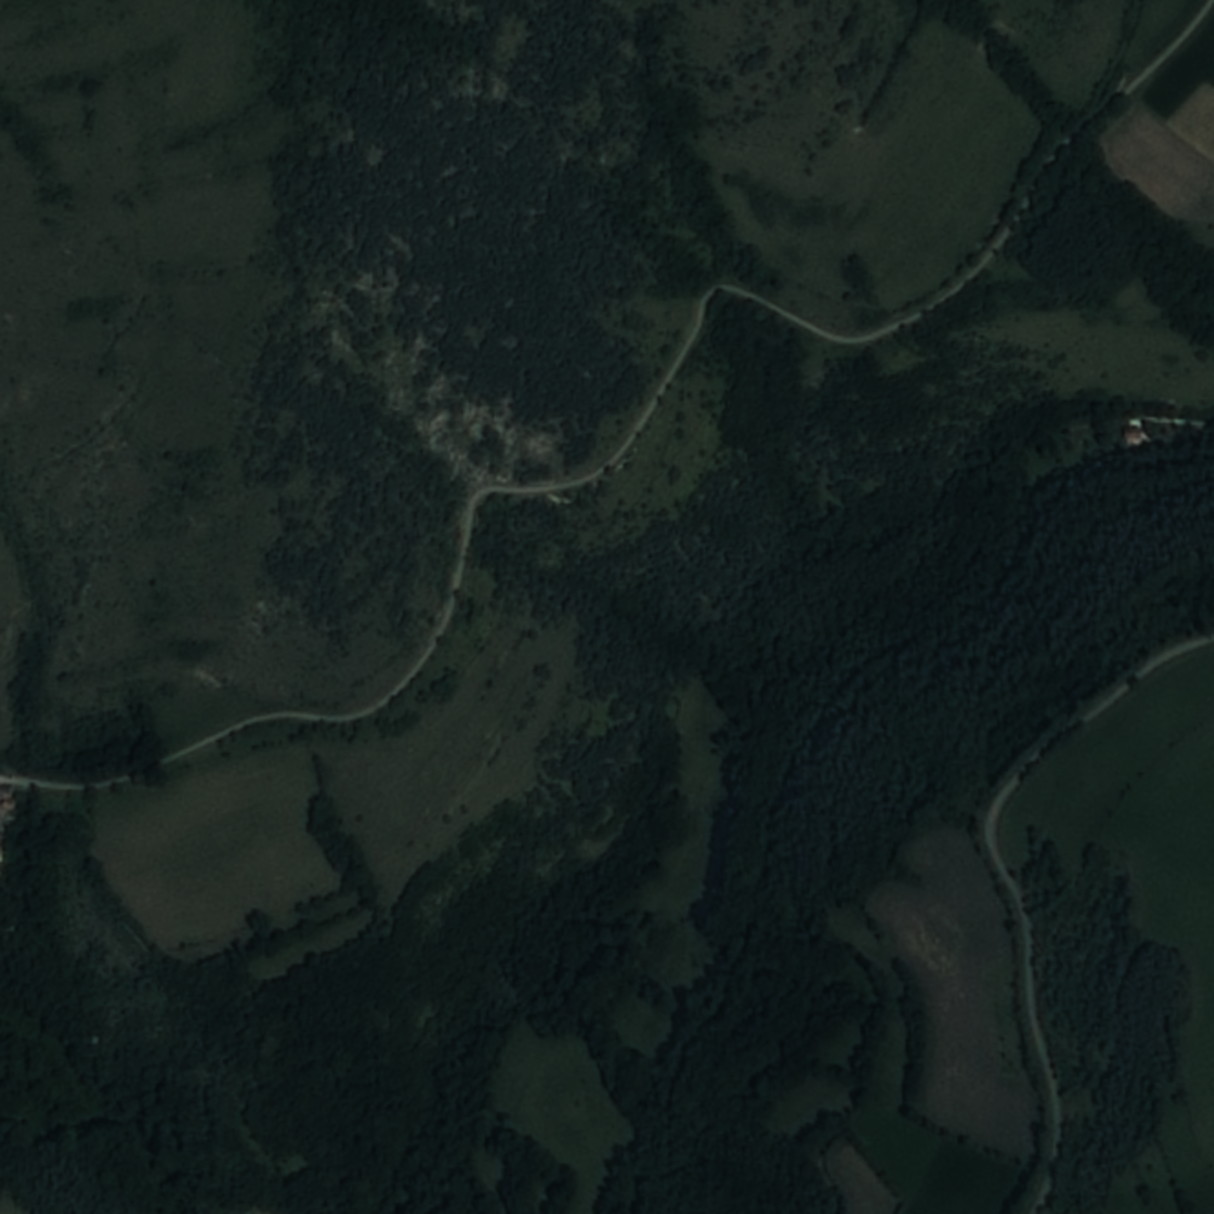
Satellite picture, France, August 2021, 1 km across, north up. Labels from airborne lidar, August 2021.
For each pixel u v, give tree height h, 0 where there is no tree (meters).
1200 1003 0
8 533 8
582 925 26
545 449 0
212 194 0
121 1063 18
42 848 10
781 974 16
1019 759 14
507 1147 21
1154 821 0
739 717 22
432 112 6
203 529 0
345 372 13
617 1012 6
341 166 9
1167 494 14
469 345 7
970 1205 0
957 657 25
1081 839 0
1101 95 7
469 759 0
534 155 12
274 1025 23
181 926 0
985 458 21
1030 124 0
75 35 0
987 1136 0
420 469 7
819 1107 0
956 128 0
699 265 8
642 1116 15
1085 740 0
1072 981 10
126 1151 37
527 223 9
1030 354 6
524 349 11
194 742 0
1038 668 21
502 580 11
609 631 10
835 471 10
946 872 0
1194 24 0
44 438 0
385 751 0
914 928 0
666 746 17
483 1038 29
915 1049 10
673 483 5
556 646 0
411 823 0
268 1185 14
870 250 0
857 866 14
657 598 11
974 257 10
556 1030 15
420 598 0
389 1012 10
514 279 9
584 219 9
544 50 8
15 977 25
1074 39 0
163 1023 9
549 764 7
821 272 0
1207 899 0
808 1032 16
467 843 10
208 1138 14
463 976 12
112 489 0
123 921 7
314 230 8
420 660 0
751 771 28
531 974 20
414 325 9
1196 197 0
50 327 0
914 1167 0
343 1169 25
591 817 11
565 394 9
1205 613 6
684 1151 18
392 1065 14
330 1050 15
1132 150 0
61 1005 22
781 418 11
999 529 23
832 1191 7
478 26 13
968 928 0
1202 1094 0
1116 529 19
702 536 12
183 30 0
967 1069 0
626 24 8
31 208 0
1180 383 0
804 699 26
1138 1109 13
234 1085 9
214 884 0
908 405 11
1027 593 20
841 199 0
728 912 29
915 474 13
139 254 0
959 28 13
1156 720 0
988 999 0
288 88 8
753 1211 14
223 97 0
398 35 6
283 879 0
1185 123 0
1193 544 26
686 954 0
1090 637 21
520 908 19
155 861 0
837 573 21
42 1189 18
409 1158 30
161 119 0
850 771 19
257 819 0
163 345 0
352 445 11
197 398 0
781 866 15
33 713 14
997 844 0
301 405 10
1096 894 9
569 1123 0
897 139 0
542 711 0
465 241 10
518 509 8
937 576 30
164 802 0
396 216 9
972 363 7
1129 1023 15
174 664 0
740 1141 13
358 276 8
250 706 0
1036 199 14
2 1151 21
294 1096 16
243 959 22
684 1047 14
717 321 8
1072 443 8
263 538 0
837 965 19
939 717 23
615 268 10
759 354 15
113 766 15
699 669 19
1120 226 21
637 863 25
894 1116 0
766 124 0
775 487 21
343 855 24
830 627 14
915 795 11
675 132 19
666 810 29
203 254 0
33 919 23
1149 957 12
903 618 28
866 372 11
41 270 0
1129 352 0
